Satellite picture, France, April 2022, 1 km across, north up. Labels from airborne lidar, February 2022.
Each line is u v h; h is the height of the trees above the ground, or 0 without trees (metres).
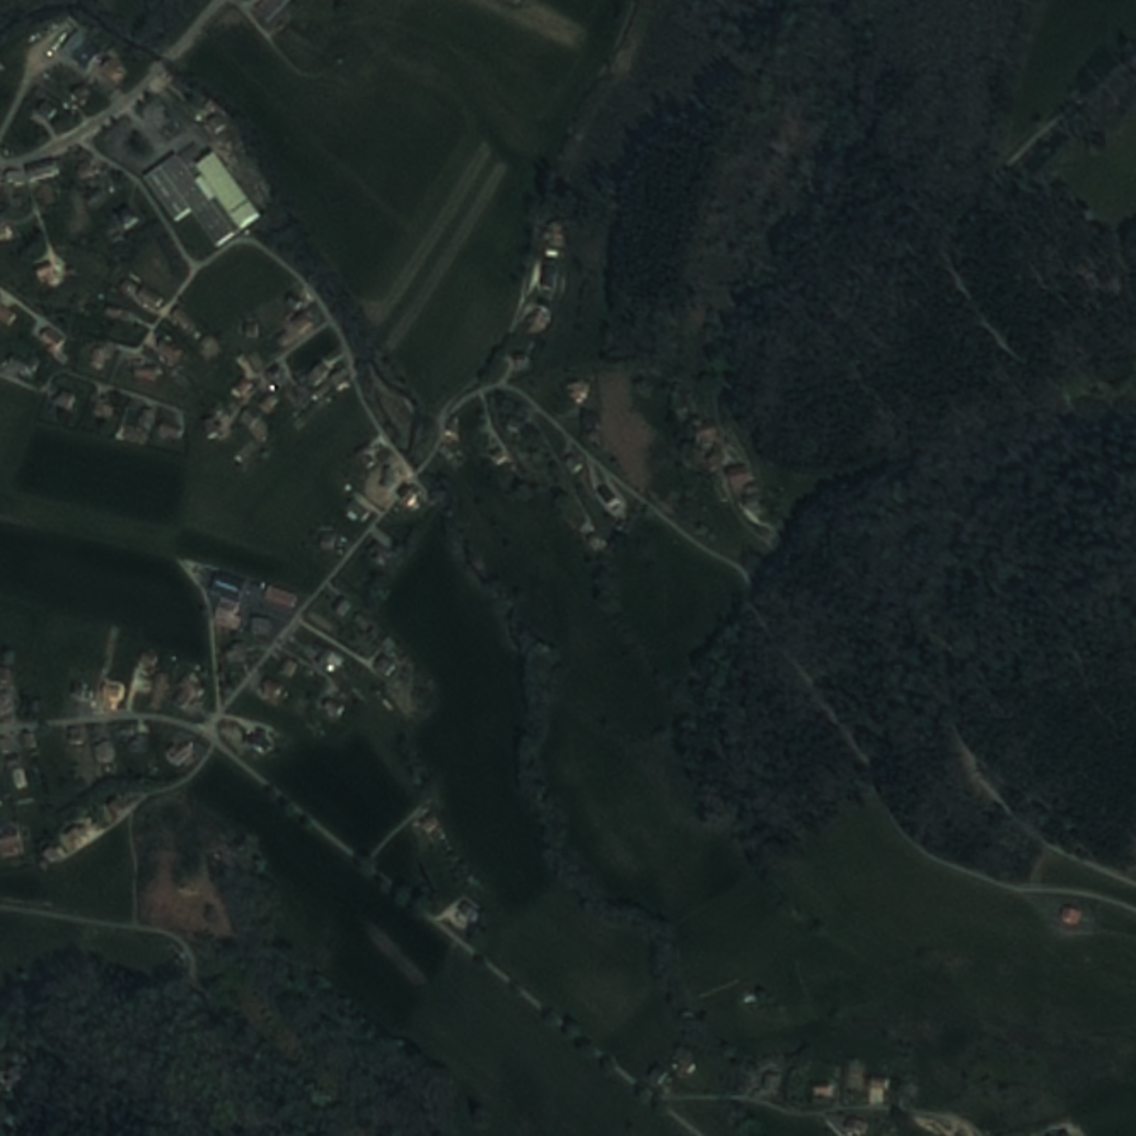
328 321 0
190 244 0
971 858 22
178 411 0
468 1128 0
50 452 0
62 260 0
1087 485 31
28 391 0
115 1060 31
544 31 0
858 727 18
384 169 0
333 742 0
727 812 29
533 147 0
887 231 27
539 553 0
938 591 32
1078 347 24
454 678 0
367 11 0
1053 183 24
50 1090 24
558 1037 0
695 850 0
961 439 35
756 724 26
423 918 20
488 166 0
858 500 28
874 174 24
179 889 0
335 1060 30
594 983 0
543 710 21
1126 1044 0
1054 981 0
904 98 29
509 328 0
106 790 13
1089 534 35
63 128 8
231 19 0
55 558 0
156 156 0
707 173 26
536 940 0
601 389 0
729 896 0
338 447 0
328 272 26
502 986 0
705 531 9
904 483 22
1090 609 29
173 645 0
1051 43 0
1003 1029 0
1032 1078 0
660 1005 0
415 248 0
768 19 15
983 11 30
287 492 0
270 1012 12
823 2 36
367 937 0
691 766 29
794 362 25
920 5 31
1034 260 26
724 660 15
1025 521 31
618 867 0
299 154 0
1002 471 32
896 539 34
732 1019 0
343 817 0
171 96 0
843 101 25
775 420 26
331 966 0
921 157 28
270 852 0
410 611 0
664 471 0
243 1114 34
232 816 0
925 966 15
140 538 0
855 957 0
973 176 29
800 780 21
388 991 0
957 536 31
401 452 8
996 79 30
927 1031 0
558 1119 0
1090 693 16
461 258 0
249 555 0
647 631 0
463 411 0
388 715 0
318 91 0
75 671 0
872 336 25
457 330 0
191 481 0
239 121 15
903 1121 12
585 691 0
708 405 9
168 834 0
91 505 0
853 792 28
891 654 33
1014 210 20
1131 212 0
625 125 0
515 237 0
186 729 0
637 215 22
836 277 26
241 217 0
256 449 0
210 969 0
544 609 0
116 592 0
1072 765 20
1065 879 0
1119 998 0
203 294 0
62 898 0
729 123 26
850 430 26
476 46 0
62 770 0
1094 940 0
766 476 0
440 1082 26
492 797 0
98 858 0
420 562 0
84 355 0
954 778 30
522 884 0
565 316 0
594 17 0
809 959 0
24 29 16
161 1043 34
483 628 0
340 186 0
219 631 0
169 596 0
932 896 0
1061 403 33
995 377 26
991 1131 0
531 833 0
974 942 0
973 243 26
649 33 0
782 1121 0
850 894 0
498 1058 0
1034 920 0
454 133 0
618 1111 0
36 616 0
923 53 30
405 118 0
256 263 0
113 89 0
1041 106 0
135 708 0
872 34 28
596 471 0
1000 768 23
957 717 17
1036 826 25
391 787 0
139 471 0
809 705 29
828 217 27
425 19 0
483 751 0
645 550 11
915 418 24
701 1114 0
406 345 0
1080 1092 0
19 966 0
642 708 0
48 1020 28
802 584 19
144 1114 36
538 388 9
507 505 0
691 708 7
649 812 0
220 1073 37
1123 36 0
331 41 0
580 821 0
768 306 23
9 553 0
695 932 0
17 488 0
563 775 0
